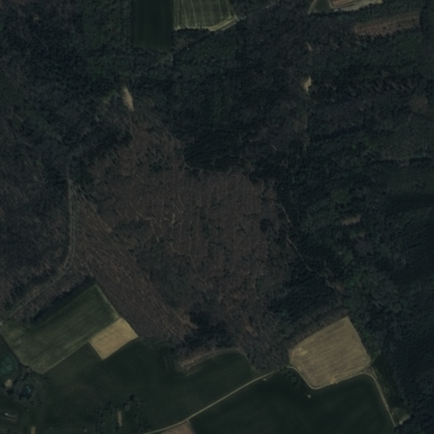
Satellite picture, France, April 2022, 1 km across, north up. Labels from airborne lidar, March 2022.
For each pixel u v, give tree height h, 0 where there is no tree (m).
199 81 22
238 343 27
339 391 0
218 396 0
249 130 13
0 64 27
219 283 10
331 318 23
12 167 24
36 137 34
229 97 14
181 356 12
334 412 0
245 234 10
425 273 24
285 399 0
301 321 29
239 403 0
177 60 15
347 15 12
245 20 17
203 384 0
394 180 18
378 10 14
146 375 0
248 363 0
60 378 0
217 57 14
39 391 0
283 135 25
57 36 20
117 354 0
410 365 23
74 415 0
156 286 17
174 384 0
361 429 0
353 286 24
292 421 0
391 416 0
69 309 0
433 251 18
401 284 23
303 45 12
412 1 14
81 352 0
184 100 14
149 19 0
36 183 24
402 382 24
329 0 0
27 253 22
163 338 19
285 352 24
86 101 26
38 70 24
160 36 0
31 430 0
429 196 17
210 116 12
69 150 28
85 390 0
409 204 18
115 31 9
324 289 25
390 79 8
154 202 7
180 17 0
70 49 22
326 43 26
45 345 0
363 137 29
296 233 11
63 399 0
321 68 25
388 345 20
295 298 22
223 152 12
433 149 23
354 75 19
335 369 0
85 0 25
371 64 22
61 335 0
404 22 0
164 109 26
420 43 11
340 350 0
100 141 19
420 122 22
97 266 18
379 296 24
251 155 14
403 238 24
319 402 0
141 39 0
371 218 27
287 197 9
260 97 8
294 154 9
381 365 0
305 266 15
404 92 30
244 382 0
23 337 0
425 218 22
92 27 23
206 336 19
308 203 15
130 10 16
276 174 14
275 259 7
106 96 18
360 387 0
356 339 0
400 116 21
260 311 10
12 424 0
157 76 22
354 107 25
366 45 26
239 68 19
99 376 0
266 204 9
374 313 14
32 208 25
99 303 0
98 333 0
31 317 26
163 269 14
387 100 24
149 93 20
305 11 25
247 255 6
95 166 17
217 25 0
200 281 11
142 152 7
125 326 0
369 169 23
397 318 14
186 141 12
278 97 11
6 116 26
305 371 0
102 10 11
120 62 21
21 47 24
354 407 0
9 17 22
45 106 20
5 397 0
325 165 22
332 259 13
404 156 21
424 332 22
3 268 25
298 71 25
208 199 7
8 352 0
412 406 22
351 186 20
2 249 26
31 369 9
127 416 0
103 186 12
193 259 7
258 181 7
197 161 7
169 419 0
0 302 25
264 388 0
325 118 22
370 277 29
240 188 8
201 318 8
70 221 24
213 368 0
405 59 9
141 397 0
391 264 29
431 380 22
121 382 0
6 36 22
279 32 15
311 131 15
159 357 0
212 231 6
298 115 22
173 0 0
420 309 21
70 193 21
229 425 0
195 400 0
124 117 24
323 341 0
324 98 7
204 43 19
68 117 23
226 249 10
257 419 0
